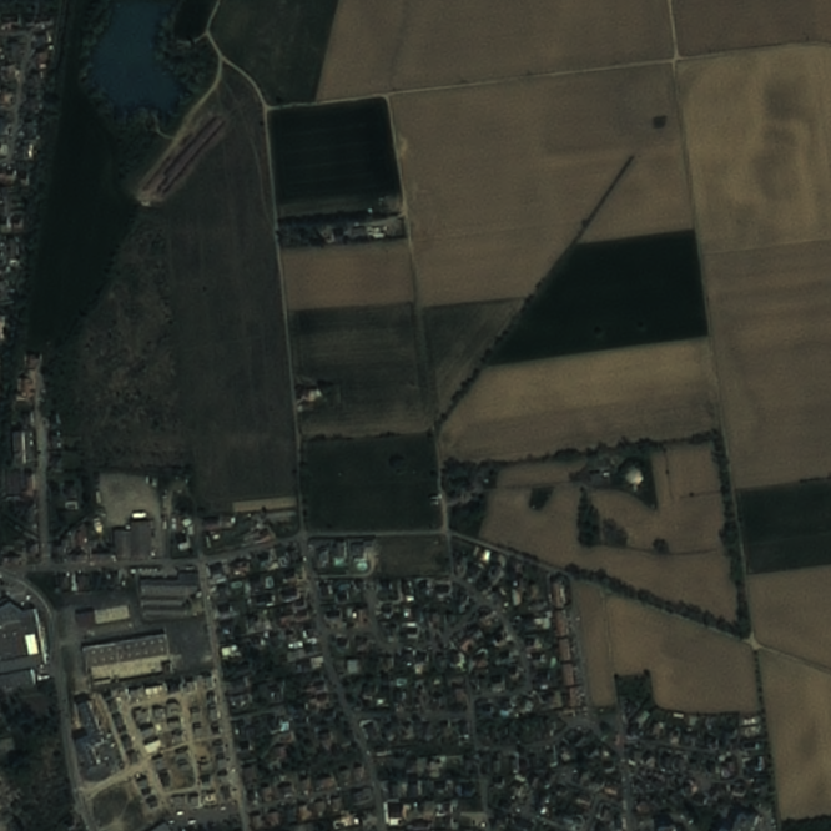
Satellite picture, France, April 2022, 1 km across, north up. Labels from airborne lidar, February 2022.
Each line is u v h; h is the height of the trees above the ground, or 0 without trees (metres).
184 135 0
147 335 0
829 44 0
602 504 0
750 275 0
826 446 0
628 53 0
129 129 11
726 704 0
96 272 0
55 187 0
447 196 0
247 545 0
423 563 0
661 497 0
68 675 0
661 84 0
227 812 0
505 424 0
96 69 0
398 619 7
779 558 0
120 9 0
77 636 0
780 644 0
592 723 0
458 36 0
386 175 0
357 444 0
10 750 0
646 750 0
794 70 0
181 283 0
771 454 0
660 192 0
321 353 0
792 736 0
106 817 0
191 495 0
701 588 0
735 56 0
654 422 0
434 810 0
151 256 0
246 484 0
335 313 0
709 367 0
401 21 0
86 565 0
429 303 0
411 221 0
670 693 0
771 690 0
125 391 0
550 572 0
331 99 0
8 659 0
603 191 0
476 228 0
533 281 0
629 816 0
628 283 0
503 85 0
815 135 0
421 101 0
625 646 0
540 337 0
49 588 0
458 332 0
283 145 0
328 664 0
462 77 0
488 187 0
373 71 0
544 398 0
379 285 0
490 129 0
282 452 0
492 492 0
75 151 0
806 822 6
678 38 0
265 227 0
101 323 0
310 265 0
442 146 0
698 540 0
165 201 0
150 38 0
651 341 0
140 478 0
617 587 13
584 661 0
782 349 0
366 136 0
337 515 0
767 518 0
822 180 0
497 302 0
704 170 0
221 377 0
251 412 0
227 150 0
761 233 0
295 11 0
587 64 0
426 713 0
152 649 0
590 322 0
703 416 0
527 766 9
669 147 0
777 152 0
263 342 0
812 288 0
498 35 0
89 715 0
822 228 0
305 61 0
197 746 0
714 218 0
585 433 0
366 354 0
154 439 0
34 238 16
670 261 0
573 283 0
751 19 0
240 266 0
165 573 0
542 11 0
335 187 0
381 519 0
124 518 0
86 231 0
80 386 0
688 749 0
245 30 0
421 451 0
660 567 0
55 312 0
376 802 0
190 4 0
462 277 0
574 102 0
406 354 0
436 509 0
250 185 0
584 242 0
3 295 0
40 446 0
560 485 0
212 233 0
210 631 0
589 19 0
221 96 0
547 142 0
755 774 6
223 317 0
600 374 0
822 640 0
